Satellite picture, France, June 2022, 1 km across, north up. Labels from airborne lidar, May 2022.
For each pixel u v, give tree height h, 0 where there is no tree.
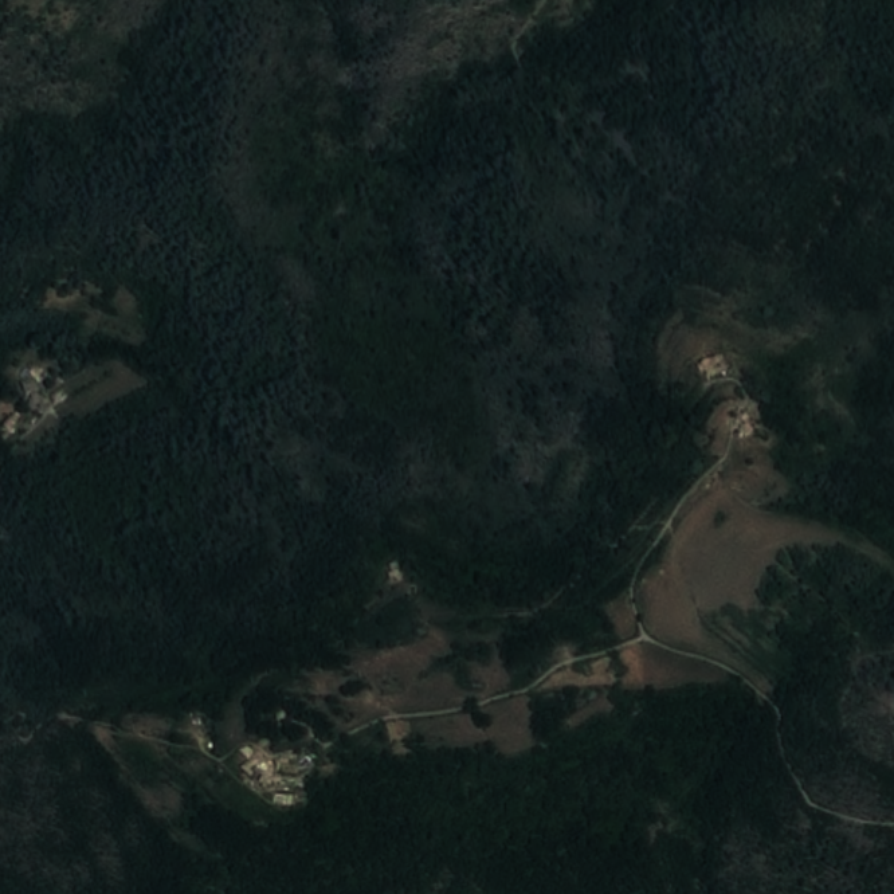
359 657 0
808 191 13
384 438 7
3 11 13
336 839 13
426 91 11
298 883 12
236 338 20
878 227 11
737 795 11
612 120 8
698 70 8
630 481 9
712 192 10
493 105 11
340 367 10
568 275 16
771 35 9
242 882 8
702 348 0
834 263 11
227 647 13
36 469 11
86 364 16
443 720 0
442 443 8
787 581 10
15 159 14
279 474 11
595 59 8
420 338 15
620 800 9
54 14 9
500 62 12
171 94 13
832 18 10
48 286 10
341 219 6
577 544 11
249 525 6
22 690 9
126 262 18
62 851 6
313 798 11
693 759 7
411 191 7
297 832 12
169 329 12
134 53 11
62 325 21
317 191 8
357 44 10
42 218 7
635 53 12
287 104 8
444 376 8
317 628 16
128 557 11
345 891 9
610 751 10
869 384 10
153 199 10
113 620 9
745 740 16
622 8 18
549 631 6
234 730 0
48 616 9
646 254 7
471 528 6
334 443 8
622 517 12
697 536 0
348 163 11
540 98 11
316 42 7
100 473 12
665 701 7
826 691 9
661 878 8
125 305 0
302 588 16
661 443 12
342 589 15
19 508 17
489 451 7
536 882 9
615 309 7
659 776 12
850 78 11
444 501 7
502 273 10
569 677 0
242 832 15
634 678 0
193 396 11
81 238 8
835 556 13
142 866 6
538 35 10
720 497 0
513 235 11
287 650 16
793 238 9
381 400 10
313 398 16
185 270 12
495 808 10
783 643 10
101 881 7
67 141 8
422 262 8
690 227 10
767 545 0
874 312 7
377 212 12
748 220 16
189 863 9
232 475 26
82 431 8
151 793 0
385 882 11
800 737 8
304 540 13
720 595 0
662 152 6
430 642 0
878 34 13
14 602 7
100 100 6
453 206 7
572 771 9
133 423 20
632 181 7
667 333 0
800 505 9
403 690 0
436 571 8
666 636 0
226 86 13
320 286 7
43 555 6
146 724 0
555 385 12
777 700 13
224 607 6
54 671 9
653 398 13
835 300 7
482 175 6
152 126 15
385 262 10
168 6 12
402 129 8
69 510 12
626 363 7
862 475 14
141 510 14
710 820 13
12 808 8
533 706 8
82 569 6
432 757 7
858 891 7
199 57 9
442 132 6
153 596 6
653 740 10
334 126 7
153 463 26
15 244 11
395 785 12
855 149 8
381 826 9
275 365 10
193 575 6
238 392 14
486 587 13
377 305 6
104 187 13
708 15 14
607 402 16
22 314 20
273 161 7
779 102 28
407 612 0
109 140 11
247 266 10
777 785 7
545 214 6
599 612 11
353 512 13
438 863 10
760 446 0
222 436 9
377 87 9
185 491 11
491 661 0
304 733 14
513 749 0
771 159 15
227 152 18
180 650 8
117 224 21
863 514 11
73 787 7
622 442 6
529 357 9
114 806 10
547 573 9
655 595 0
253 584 8
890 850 5
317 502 7
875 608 9
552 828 13
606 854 10
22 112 13
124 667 7
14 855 7
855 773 9
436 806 13
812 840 7
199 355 6
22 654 10
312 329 8
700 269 10
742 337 0
